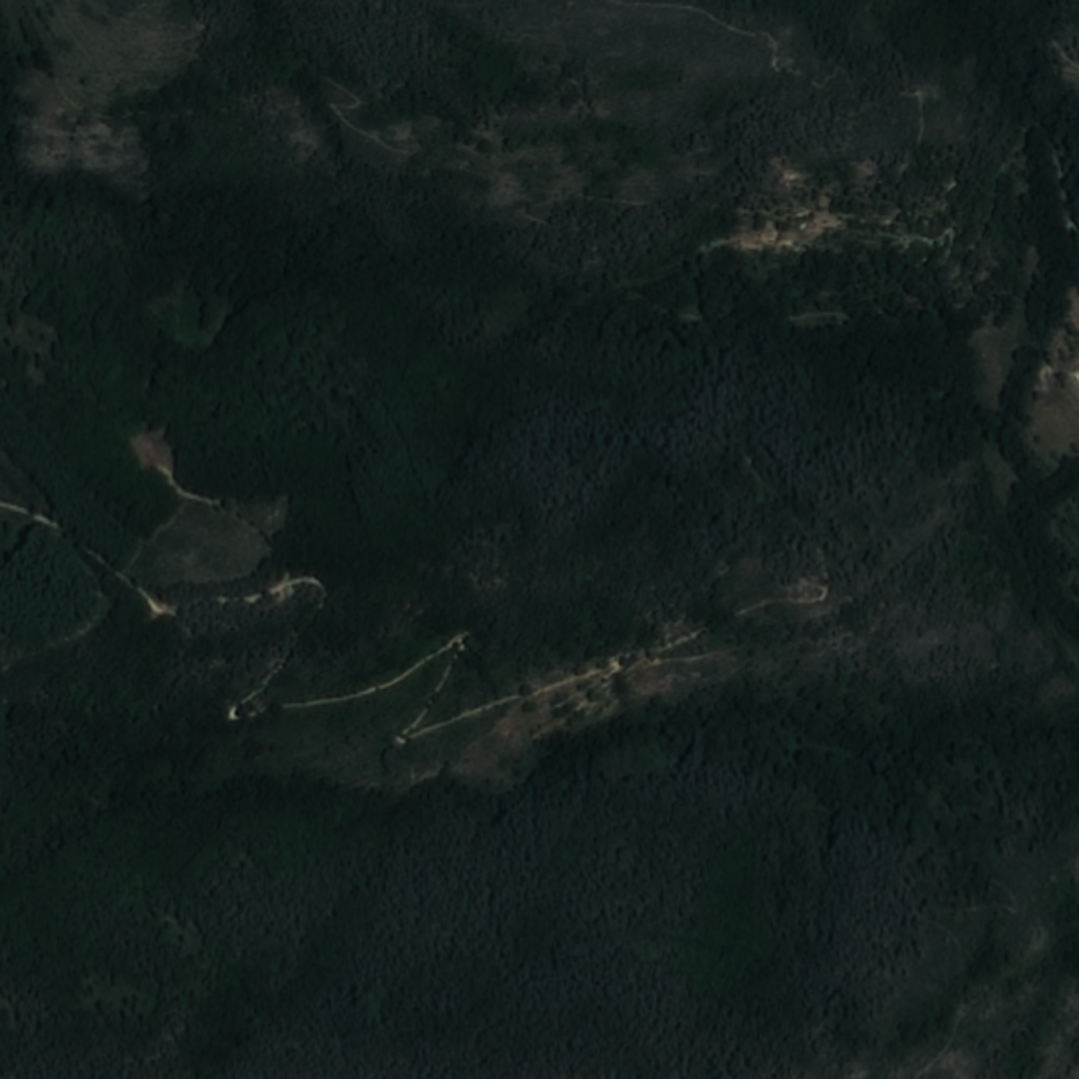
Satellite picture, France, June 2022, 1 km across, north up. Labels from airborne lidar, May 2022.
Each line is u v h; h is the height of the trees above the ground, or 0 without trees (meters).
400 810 14
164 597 16
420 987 17
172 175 18
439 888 19
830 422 22
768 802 22
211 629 14
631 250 12
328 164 13
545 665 8
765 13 13
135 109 7
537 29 0
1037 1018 10
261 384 9
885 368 33
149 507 18
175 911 14
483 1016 16
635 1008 16
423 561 9
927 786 11
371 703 7
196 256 17
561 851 14
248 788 19
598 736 10
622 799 17
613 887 12
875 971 14
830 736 12
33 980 15
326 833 19
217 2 16
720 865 12
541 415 22
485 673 14
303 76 15
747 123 15
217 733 8
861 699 12
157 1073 12
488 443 16
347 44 13
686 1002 16
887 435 26
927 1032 11
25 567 22
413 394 9
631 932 10
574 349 20
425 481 20
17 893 12
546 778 15
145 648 21
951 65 9
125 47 0
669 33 0
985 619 10
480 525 13
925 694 13
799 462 19
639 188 0
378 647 13
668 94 0
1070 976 7
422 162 8
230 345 21
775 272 6
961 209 14
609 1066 14
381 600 13
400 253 22
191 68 9
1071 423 0
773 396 26
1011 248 9
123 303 18
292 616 10
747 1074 18
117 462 13
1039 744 12
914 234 11
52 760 27
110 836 16
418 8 14
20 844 20
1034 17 16
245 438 13
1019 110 18
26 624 30
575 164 8
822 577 11
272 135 14
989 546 14
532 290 18
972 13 26
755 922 17
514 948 14
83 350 11
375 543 14
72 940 14
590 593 11
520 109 10
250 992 14
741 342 24
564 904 12
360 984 16
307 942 10
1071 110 12
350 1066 14
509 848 20
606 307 11
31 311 16
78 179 16
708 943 11
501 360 22
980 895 7
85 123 9
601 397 14
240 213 24
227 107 7
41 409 13
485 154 12
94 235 12
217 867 16
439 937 13
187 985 8
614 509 12
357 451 11
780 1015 20
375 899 19
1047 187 22
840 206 14
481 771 0
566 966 18
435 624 12
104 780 22
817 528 12
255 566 0
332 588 12
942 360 23
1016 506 8
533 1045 17
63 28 0
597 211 9
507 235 11
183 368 28
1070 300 11
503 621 15
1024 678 9
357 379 11
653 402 16
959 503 15
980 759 18
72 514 20
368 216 23
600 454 26
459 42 12
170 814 13
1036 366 7
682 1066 17
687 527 18
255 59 15
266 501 7
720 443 27
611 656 13
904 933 16
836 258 14
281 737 0
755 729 20
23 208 24
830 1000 23
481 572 6
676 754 7
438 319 17
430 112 13
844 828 21
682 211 15
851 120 10
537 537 11
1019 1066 12
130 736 18
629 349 16
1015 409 15
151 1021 13
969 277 6
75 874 16
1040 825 13
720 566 13
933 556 13
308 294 19
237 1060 15
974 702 14
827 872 14
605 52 0
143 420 11
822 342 34
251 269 25
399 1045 16
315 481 11
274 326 11
